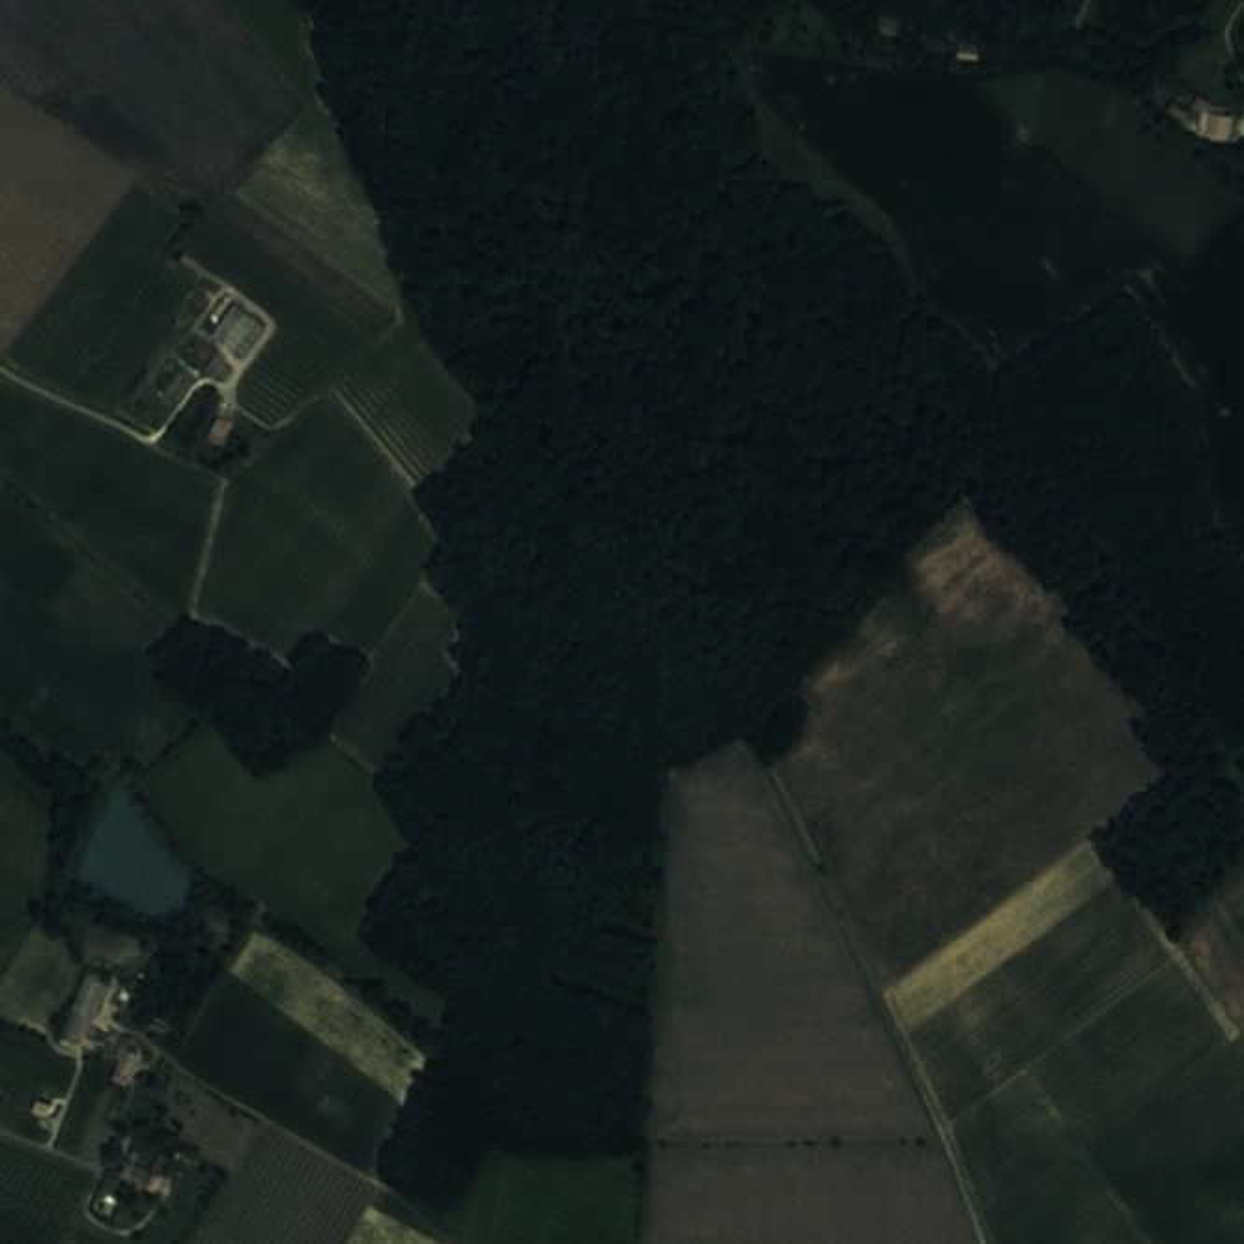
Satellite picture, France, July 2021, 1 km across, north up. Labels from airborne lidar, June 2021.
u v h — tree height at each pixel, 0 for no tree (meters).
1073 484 25
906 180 0
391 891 17
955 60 11
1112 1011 0
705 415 28
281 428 0
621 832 15
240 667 26
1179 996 0
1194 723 22
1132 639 26
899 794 0
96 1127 0
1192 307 0
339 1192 0
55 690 0
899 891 0
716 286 28
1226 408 0
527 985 21
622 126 25
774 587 24
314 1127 0
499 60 25
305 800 0
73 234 0
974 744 0
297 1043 0
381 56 20
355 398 0
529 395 26
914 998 0
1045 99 0
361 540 0
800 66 0
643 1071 14
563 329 24
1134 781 0
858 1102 0
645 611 15
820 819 0
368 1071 0
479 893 17
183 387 0
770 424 25
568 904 20
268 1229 0
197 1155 7
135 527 0
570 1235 0
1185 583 21
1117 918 0
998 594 0
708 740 14
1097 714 0
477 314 21
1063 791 0
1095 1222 0
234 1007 0
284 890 0
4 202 0
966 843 0
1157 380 14
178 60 0
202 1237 0
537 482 20
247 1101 0
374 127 15
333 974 0
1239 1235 0
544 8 26
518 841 16
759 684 19
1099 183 0
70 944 10
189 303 0
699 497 23
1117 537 20
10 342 0
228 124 0
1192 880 21
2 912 0
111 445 0
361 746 0
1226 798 15
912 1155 0
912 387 21
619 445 16
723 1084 0
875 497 21
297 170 0
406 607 0
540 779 21
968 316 0
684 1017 0
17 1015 0
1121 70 8
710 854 0
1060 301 0
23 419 0
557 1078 19
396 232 13
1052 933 0
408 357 0
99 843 0
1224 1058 0
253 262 0
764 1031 0
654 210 31
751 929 0
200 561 0
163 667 14
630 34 32
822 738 0
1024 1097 0
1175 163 0
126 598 0
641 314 18
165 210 0
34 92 0
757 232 24
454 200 22
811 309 22
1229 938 0
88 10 0
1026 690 0
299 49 0
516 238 20
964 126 0
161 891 0
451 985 18
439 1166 23
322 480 0
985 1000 0
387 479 0
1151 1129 0
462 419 0
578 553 20
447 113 22
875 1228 0
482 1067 20
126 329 0
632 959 18
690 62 31
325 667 21
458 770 17
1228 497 0
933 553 0
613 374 20
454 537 17
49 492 0
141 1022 8
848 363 30
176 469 0
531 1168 0
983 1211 0
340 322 0
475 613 18
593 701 17
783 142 0
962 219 0
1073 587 23
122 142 0
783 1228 0
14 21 0
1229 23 0
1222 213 0
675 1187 0
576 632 13
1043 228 0
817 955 0
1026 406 19
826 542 28
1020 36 22
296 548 0
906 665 0
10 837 0
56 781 19
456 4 23
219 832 0
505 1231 0
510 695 19
